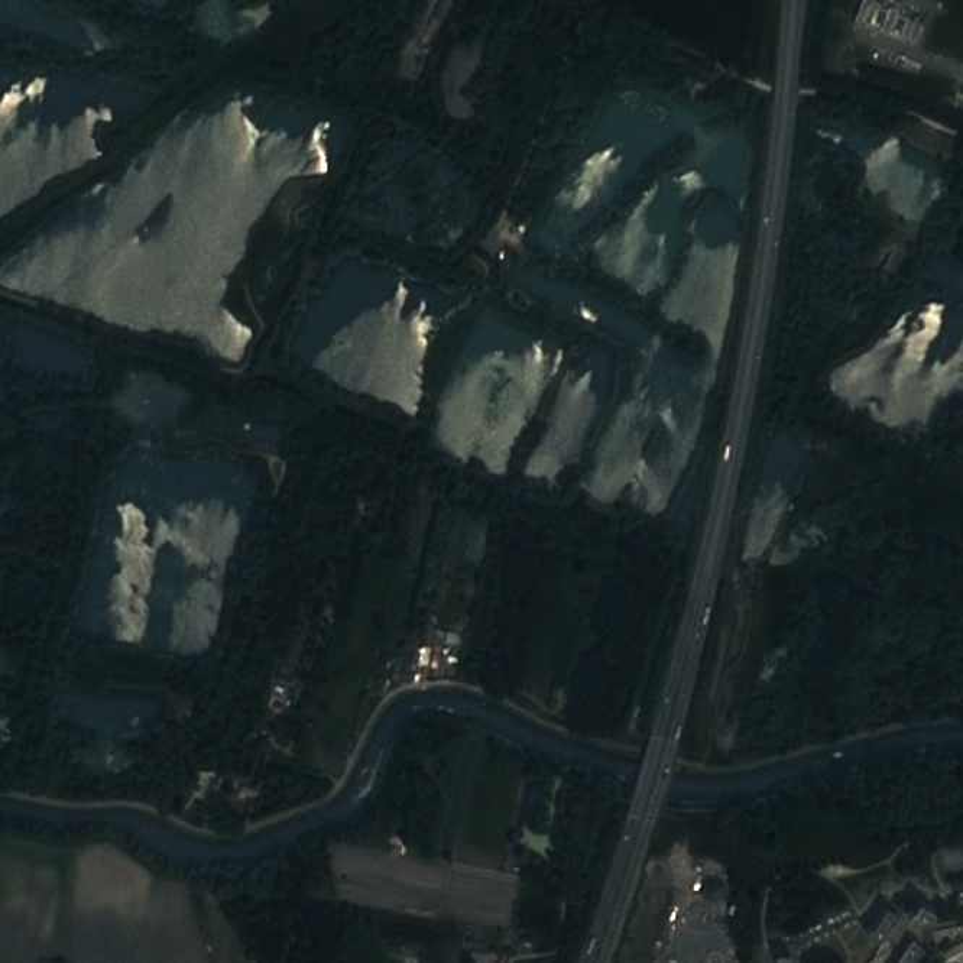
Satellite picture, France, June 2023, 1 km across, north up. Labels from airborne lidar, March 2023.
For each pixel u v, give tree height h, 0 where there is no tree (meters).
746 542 0
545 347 0
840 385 0
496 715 0
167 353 23
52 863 0
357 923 7
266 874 20
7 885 0
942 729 0
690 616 0
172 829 0
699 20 0
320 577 25
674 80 21
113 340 11
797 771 0
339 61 16
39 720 17
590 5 18
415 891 0
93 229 0
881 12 0
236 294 0
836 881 0
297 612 9
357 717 0
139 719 0
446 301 0
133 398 0
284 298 6
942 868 0
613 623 38
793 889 29
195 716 17
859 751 0
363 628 0
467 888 0
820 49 15
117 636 0
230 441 0
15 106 0
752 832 0
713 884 0
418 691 0
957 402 23
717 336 0
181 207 0
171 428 0
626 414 0
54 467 31
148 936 0
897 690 8
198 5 6
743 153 0
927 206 0
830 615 33
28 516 28
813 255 15
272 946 27
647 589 36
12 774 6
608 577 0
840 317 6
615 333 0
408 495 10
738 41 0
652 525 8
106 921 0
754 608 0
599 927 0
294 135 0
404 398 0
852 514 9
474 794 0
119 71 17
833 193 17
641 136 0
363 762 0
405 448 8
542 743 0
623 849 0
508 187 10
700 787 0
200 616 0
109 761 0
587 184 0
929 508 0
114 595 0
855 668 9
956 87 0
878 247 0
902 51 0
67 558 17
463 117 0
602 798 24
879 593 28
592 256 6
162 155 0
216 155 0
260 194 0
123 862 0
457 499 17
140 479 0
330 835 17
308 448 15
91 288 0
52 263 0
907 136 0
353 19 7
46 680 17
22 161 0
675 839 0
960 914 15
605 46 32
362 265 0
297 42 0
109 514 0
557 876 15
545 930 0
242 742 9
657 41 25
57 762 21
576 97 13
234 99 0
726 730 0
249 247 0
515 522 6
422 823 21
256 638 14
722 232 0
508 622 33
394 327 0
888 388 0
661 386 0
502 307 6
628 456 0
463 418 0
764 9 0
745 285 0
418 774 25
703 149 0
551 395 0
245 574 19
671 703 0
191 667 6
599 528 18
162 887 0
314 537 25
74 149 0
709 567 0
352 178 13
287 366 10
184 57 10
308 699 16
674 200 0
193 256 0
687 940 0
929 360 0
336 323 0
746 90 7
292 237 6
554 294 0
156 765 21
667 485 0
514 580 33
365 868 0
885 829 15
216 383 9
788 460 0
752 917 0
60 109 0
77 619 0
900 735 0
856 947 0
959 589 21
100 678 12
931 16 0
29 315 7
